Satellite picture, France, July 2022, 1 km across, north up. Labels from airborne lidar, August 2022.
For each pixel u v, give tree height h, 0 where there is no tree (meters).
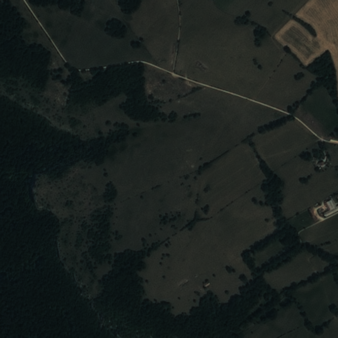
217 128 0
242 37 0
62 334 24
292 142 0
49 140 25
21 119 9
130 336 12
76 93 11
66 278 16
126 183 0
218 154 0
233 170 0
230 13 0
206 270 0
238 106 0
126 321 9
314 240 0
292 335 0
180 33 0
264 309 18
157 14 0
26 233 24
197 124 0
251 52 0
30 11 6
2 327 27
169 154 0
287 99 0
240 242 0
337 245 0
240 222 0
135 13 0
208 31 0
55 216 24
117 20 11
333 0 0
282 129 0
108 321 6
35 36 0
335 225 0
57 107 0
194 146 0
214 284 0
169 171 0
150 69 0
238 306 17
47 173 6
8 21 14
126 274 14
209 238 0
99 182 0
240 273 0
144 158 0
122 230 0
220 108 0
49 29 0
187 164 0
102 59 0
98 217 7
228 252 0
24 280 25
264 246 19
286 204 0
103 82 11
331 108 0
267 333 0
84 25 0
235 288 0
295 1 0
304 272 0
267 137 0
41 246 17
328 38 0
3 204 29
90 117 0
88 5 0
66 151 31
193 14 0
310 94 12
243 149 0
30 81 9
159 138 0
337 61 0
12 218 24
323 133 0
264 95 0
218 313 18
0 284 18
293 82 0
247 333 0
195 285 0
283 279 0
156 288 0
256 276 11
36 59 17
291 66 0
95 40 0
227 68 0
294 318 0
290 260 19
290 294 8
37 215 21
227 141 0
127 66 8
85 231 6
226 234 0
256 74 0
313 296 0
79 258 0
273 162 0
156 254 0
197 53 0
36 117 11
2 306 20
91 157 8
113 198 12
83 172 0
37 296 24
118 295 14
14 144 32
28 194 13
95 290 0
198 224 0
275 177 18
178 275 0
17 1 0
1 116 27
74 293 12
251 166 0
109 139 6
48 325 24
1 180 30
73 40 0
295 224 0
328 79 20
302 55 0
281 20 0
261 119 0
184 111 0
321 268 0
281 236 20
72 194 0
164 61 0
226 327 19
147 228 0
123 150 0
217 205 0
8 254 24
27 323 27
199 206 0
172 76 0
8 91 5
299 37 0
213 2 0
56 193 0
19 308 25
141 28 0
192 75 0
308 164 0
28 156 29
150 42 0
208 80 0
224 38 0
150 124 0
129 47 0
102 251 7
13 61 14
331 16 0
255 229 0
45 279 24
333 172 0
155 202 0
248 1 0
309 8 0
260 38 8
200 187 0
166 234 0
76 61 0
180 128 0
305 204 0
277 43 0
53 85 0
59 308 20
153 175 0
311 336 0
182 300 0
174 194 0
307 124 0
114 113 0
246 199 0
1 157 28
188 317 7
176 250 0
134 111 10
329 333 0
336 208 0
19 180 22
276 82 0
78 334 20
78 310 16
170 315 10
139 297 11
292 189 0
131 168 0
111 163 0
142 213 0
